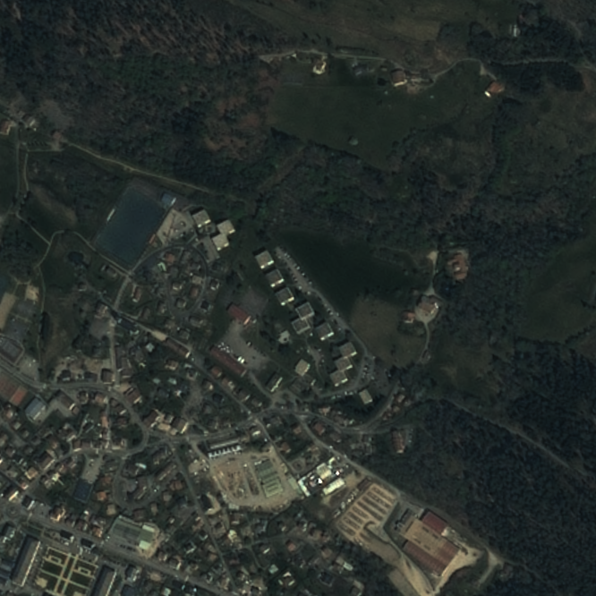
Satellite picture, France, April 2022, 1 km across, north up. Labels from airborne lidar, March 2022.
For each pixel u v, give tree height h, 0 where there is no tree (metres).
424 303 0
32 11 26
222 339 0
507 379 7
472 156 0
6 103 0
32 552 0
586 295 0
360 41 0
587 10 21
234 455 0
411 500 0
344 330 0
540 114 0
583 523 22
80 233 0
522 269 27
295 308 0
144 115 19
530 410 17
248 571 0
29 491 0
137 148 20
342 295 0
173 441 0
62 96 19
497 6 0
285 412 0
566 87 6
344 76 0
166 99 18
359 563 8
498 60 18
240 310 0
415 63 0
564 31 17
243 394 0
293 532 0
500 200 19
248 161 10
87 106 18
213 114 24
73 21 27
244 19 0
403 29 0
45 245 0
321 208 20
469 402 26
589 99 0
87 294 0
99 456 0
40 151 0
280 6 0
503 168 12
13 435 0
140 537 0
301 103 0
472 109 0
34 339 0
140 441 7
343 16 0
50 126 7
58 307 0
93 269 0
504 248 28
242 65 27
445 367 0
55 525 0
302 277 0
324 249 0
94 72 24
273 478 0
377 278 0
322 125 0
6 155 0
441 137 0
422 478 23
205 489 0
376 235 19
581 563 27
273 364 0
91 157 0
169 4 6
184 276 0
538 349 20
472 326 17
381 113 0
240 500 0
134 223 0
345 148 0
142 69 21
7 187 0
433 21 0
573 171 16
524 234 18
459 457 25
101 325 0
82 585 0
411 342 0
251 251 0
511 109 22
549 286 0
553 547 21
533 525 13
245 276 0
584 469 0
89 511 0
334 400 0
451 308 6
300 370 0
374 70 0
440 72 0
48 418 0
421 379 10
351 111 0
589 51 22
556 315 0
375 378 0
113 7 28
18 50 38
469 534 0
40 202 0
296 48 10
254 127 0
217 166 20
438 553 0
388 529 0
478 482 16
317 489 0
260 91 0
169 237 0
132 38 28
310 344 0
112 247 0
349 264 0
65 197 0
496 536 29
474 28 16
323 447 0
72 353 0
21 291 0
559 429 14
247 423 0
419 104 0
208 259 0
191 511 0
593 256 0
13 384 0
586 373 27
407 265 0
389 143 0
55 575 0
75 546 0
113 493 0
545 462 11
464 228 16
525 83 11
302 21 0
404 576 0
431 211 31
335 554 0
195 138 38
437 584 0
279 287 0
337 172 14
